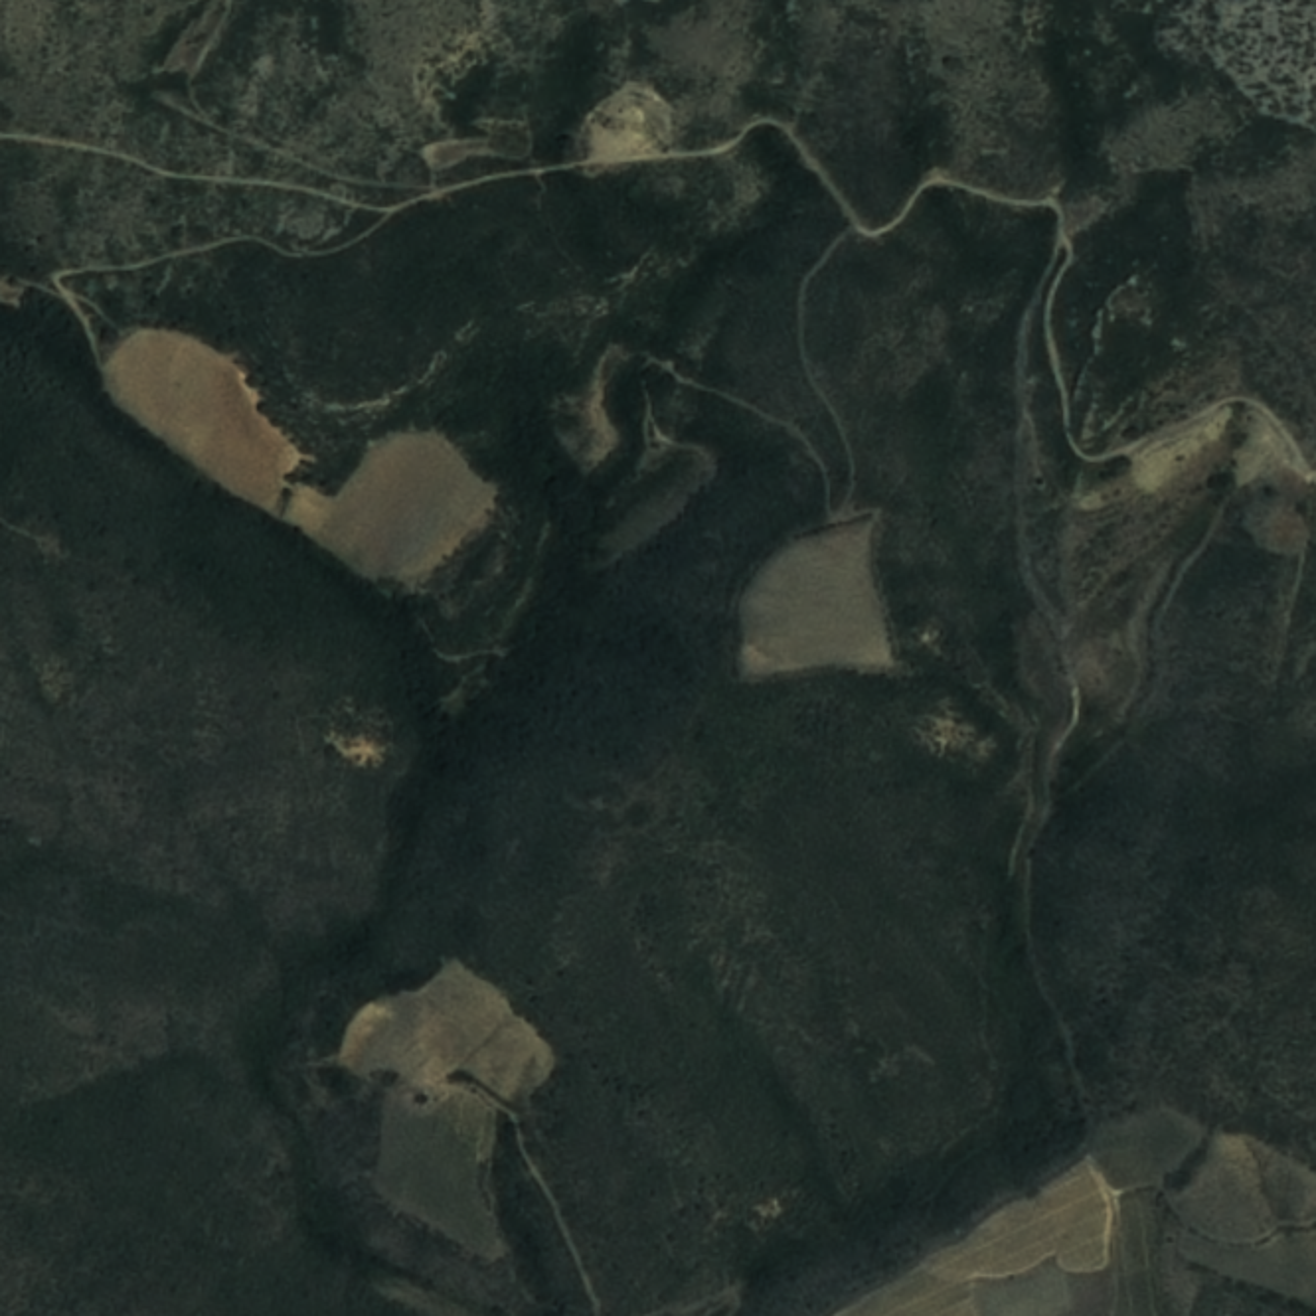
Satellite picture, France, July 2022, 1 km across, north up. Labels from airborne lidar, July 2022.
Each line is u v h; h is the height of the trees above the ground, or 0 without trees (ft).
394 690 20
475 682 0
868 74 0
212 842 0
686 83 0
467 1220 0
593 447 0
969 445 0
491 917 0
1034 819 0
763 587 0
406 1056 0
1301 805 0
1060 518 0
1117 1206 0
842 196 0
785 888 0
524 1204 27
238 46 0
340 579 29
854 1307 0
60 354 34
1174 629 0
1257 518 0
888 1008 0
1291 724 0
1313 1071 0
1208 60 0
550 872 0
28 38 0
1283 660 0
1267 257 0
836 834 0
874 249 0
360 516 0
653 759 0
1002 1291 0
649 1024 0
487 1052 0
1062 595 0
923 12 0
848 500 0
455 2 0
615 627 23
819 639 0
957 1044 0
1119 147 0
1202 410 0
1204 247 0
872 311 0
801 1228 23
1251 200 0
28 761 0
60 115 0
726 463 24
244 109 0
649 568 20
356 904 0
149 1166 0
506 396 36
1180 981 0
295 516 0
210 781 0
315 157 0
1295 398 0
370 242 0
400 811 33
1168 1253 0
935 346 0
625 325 24
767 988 0
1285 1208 0
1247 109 0
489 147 0
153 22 0
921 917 0
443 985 0
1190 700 0
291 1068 0
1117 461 23
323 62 0
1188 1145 0
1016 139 0
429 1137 0
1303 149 0
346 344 0
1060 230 0
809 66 0
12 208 0
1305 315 0
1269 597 0
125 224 0
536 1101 20
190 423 0
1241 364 0
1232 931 0
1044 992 0
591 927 0
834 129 0
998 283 0
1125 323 0
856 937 0
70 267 0
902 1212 19
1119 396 0
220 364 0
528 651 41
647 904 22
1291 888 0
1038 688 0
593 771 0
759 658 0
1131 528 0
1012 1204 0
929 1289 0
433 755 26
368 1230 0
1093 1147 0
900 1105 0
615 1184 0
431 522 0
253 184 0
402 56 0
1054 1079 0
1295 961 0
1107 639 0
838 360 0
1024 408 0
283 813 0
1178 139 0
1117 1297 0
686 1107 0
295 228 0
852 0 0
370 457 0
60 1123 19
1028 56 0
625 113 0
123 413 28
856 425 0
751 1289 28
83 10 0
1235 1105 0
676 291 21
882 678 21
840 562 0
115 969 0
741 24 0
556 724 18
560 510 67
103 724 0
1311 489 0
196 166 0
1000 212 0
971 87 0
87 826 0
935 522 27
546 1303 24
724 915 0
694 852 0
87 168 0
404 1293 0
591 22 23
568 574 37
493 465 25
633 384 21
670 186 0
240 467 0
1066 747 0
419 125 0
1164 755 0
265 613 19
